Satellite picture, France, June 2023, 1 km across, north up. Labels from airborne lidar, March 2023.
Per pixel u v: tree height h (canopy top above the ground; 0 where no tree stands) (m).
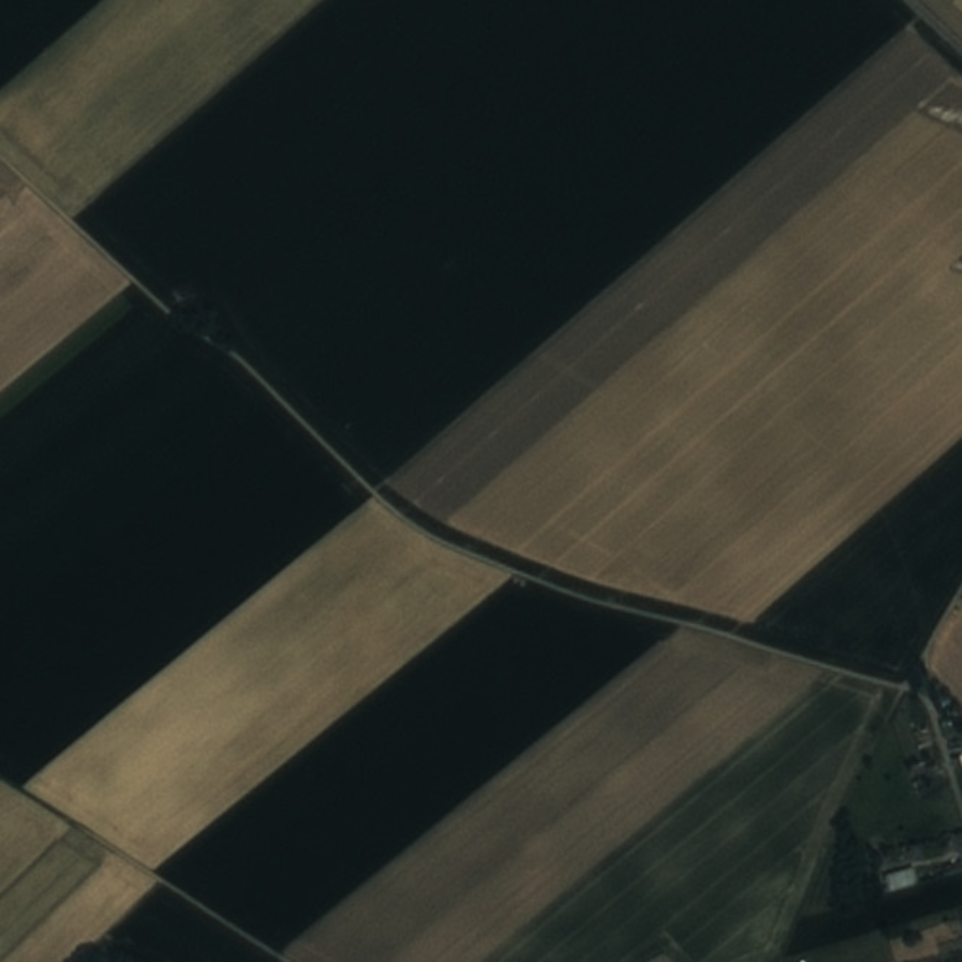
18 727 0
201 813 0
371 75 0
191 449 0
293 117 0
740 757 0
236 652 0
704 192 0
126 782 0
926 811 0
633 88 0
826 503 0
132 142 0
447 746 0
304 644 0
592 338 0
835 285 0
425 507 0
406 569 0
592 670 0
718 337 0
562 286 0
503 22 0
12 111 0
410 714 0
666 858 0
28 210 0
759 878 0
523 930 0
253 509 0
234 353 0
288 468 0
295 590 0
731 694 0
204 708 0
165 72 0
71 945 0
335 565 0
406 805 0
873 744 0
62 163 0
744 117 0
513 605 0
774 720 0
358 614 0
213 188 0
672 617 0
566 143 0
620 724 0
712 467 0
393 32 0
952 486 0
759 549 0
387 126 0
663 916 0
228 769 0
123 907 0
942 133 0
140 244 0
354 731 0
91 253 0
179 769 0
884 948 0
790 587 0
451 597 0
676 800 0
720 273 0
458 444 0
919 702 11
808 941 0
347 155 0
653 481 0
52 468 0
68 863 0
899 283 0
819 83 0
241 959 0
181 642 0
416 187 0
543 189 0
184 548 0
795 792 0
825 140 0
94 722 0
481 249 0
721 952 0
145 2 0
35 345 0
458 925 0
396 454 0
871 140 0
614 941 0
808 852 0
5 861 0
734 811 0
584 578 0
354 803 0
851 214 0
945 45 0
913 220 0
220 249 0
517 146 0
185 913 0
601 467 0
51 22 0
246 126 0
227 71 0
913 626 0
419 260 0
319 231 0
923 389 0
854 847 18
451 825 0
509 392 0
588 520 0
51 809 0
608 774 0
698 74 0
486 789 0
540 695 0
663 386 0
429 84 0
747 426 0
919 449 0
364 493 0
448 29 0
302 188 0
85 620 0
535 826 0
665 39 0
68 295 0
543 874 0
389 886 0
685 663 0
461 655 0
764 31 0
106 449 0
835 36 0
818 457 0
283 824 0
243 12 0
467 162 0
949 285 0
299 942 0
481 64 0
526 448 0
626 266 0
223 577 0
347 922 0
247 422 0
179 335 0
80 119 0
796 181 0
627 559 0
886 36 0
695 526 0
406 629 0
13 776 0
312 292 0
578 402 0
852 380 0
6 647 0
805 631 0
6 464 0
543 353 0
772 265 0
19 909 0
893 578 0
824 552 0
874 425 0
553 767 0
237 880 0
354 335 0
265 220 0
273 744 0
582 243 0
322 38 0
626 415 0
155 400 0
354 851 0
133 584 0
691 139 0
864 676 0
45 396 0
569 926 0
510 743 0
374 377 0
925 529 0
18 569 0
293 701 0
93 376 0
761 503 0
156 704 0
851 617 0
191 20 0
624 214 0
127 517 0
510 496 0
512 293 0
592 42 0
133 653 0
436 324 0
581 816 0
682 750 0
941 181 0
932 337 0
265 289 0
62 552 0
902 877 0
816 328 0
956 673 0
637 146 0
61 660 0
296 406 0
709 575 0
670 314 0
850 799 0
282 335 0
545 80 0
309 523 0
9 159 0
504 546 0
